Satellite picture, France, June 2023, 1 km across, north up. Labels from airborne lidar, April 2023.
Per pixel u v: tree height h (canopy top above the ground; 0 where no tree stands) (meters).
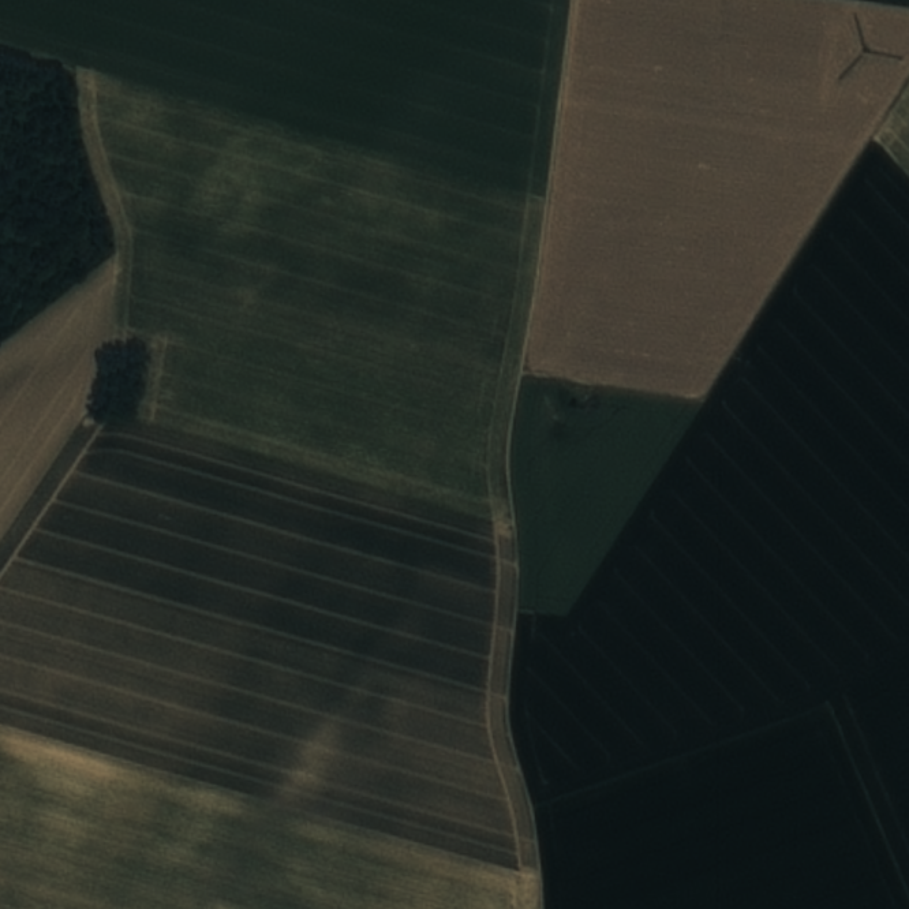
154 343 0
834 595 0
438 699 0
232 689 0
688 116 0
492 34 0
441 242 0
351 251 0
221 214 0
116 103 0
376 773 0
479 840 0
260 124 0
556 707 0
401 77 0
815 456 0
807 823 0
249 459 0
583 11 0
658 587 0
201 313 0
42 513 0
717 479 0
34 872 0
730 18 0
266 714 0
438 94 0
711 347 0
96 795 0
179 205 0
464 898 0
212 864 0
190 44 0
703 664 0
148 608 0
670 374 0
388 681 0
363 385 0
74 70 0
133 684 0
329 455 0
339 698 0
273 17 0
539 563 0
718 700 0
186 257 0
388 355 0
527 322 0
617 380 0
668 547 0
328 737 0
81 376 0
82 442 0
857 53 0
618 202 0
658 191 0
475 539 0
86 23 0
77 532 0
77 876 0
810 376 0
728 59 0
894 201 0
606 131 0
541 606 0
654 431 0
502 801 0
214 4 0
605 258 0
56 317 0
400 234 0
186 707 0
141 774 0
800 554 0
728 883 0
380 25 0
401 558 0
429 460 0
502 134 0
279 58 0
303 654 0
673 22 0
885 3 0
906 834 0
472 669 0
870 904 0
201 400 0
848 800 0
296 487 0
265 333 0
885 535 0
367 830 0
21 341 0
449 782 0
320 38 0
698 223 0
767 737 0
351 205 0
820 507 0
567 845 0
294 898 0
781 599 0
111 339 0
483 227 0
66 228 21
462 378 0
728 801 0
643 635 0
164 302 0
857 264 0
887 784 0
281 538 0
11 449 0
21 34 0
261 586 0
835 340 0
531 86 0
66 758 0
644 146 0
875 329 0
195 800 0
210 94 0
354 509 0
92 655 0
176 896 0
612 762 0
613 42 0
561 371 0
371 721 0
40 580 0
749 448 0
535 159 0
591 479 0
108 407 17
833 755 0
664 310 0
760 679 0
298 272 0
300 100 0
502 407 0
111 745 0
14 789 0
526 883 0
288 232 0
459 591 0
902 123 0
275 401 0
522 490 0
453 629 0
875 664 0
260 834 0
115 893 0
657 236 0
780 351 0
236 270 0
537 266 0
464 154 0
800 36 0
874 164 0
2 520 0
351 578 0
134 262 0
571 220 0
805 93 0
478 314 0
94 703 0
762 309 0
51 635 0
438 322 0
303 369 0
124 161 0
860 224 0
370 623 0
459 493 0
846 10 0
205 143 0
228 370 0
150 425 0
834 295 0
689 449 0
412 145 0
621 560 0
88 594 0
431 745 0
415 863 0
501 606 0
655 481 0
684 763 0
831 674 0
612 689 0
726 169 0
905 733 0
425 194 0
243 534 0
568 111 0
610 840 0
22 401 0
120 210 0
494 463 0
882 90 0
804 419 0
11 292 11
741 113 0
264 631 0
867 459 0
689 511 0
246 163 0
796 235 0
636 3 0
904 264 0
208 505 0
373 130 0
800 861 0
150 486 0
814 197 0
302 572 0
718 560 0
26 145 6
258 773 0
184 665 0
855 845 0
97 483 0
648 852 0
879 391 0
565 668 0
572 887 0
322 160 0
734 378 0
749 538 0
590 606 0
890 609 0
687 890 0
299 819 0
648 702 0
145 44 0
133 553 0
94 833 0
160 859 0
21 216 13
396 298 0
